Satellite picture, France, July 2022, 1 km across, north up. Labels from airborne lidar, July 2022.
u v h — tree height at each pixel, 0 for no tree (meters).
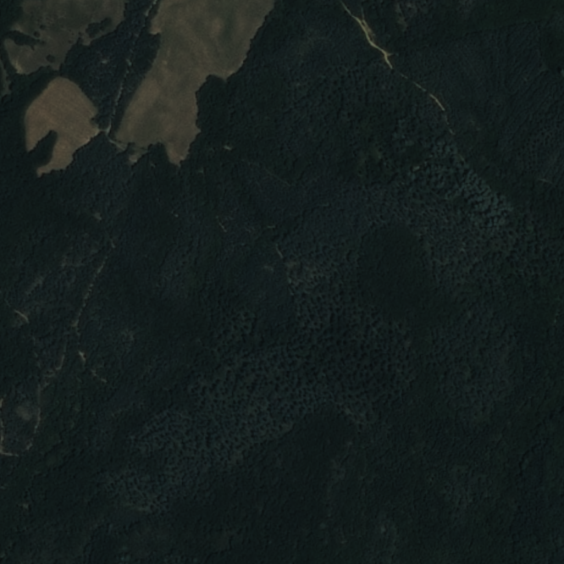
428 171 28
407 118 14
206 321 21
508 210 26
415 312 15
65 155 0
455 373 22
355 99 24
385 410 17
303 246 20
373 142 21
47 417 9
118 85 10
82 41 7
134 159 0
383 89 22
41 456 22
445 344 22
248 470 15
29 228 16
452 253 21
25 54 0
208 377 14
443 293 13
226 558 15
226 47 0
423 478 9
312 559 18
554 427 17
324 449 14
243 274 9
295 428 13
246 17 0
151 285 9
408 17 11
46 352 12
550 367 13
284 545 13
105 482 22
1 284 11
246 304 10
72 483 17
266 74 12
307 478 11
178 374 14
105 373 12
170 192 17
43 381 10
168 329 11
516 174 10
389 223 22
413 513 17
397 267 12
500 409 17
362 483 12
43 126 0
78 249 15
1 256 13
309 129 17
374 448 16
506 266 14
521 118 17
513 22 14
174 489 17
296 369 28
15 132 19
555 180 15
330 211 14
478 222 23
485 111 17
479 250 20
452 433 15
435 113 20
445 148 22
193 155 12
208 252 13
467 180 27
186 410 18
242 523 10
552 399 23
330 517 9
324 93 16
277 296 11
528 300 11
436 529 12
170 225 6
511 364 13
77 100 0
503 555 14
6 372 18
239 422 20
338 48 10
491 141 10
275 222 14
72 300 8
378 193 22
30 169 14
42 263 8
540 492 18
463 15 7
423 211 23
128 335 7
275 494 14
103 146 17
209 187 15
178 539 8
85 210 13
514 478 23
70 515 15
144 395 9
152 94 0
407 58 13
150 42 10
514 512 17
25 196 12
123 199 21
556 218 21
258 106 11
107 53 13
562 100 10
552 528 17
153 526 7
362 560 11
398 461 16
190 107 0
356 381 23
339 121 18
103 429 18
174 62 0
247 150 14
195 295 13
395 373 22
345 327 12
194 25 0
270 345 17
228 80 10
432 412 20
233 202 15
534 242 17
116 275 11
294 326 19
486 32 15
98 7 0
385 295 13
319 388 22
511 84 16
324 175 10
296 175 14
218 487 14
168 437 20
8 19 21
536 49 18
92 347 8
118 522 9
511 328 22
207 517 18
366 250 14
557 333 11
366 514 9
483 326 26
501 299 17
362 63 21
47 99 0
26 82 23
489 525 17
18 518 14
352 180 13
